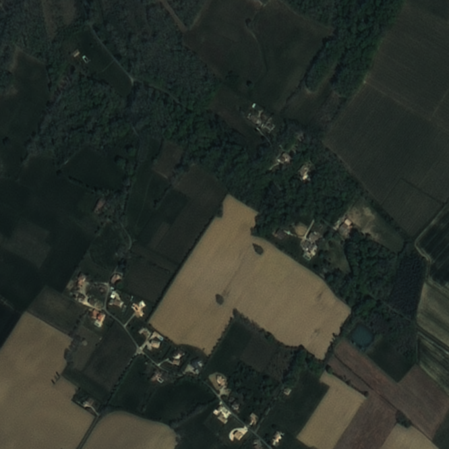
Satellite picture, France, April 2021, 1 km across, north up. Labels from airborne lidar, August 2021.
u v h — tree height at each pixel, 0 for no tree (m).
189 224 0
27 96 0
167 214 0
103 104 19
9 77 21
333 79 0
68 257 0
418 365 0
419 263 10
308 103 0
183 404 0
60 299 0
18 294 0
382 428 0
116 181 0
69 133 13
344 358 0
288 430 0
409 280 11
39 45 17
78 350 10
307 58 0
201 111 24
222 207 6
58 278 0
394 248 0
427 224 0
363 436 0
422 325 0
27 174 0
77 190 0
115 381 0
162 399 0
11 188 0
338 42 24
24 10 14
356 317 10
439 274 0
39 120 0
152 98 15
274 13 0
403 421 13
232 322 7
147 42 15
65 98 22
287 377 17
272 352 0
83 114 17
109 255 0
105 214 9
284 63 0
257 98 0
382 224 0
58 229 0
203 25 0
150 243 0
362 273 23
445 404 0
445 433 0
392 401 0
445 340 0
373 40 24
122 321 0
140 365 0
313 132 10
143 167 0
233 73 5
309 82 17
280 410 0
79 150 14
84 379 0
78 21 10
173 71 22
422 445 0
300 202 20
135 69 24
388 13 24
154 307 7
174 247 0
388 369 0
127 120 20
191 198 0
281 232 0
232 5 0
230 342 0
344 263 0
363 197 13
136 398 0
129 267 6
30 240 0
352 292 23
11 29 15
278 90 0
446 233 0
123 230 16
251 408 6
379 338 13
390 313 16
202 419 0
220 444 7
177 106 14
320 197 13
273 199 21
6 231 0
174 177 15
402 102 0
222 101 0
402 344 16
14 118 0
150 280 0
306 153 12
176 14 17
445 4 0
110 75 0
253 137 0
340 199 19
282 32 0
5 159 0
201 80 17
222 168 19
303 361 19
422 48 0
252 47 0
